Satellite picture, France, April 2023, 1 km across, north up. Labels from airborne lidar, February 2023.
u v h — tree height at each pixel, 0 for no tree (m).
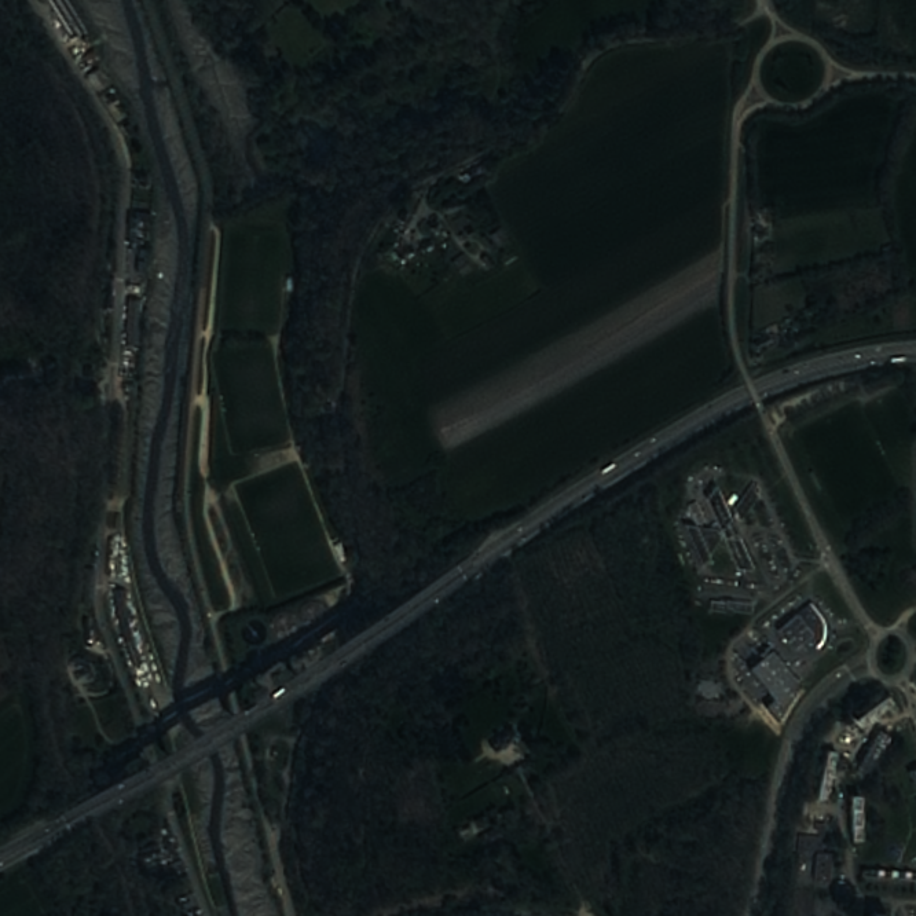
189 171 0
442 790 16
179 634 0
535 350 0
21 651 13
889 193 14
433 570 24
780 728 0
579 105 0
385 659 26
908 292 8
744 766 0
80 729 0
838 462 0
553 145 0
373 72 22
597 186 0
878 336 0
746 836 15
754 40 0
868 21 0
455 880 18
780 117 11
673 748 13
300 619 0
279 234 0
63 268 17
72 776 22
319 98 24
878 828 18
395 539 19
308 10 10
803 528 0
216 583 0
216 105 0
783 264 0
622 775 15
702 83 0
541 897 23
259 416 0
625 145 0
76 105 22
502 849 24
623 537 14
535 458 0
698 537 0
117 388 0
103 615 0
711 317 0
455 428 0
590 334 0
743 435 0
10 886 0
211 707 0
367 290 0
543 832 17
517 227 0
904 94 9
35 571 21
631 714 15
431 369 0
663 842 13
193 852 0
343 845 13
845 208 0
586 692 15
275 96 23
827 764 0
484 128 33
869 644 0
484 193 15
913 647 0
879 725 0
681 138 0
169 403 0
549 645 14
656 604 15
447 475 0
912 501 16
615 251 0
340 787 17
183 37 0
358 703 18
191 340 0
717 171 0
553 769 14
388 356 0
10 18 14
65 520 21
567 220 0
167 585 0
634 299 0
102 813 18
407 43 20
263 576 0
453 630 27
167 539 0
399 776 14
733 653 0
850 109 0
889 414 0
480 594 22
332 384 27
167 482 0
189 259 0
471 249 0
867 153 0
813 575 0
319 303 27
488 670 21
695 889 15
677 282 0
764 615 0
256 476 0
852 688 0
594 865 16
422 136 26
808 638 0
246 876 0
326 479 28
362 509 26
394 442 0
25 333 17
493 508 0
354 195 22
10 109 20
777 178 0
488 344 0
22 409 24
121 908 16
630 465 0
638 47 0
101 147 23
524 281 0
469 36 27
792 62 0
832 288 0
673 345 0
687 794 13
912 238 0
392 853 13
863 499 0
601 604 13
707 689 0
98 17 0
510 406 0
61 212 17
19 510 22
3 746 0
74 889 9
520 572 15
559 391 0
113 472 31
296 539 0
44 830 0
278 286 0
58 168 20
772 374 0
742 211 0
